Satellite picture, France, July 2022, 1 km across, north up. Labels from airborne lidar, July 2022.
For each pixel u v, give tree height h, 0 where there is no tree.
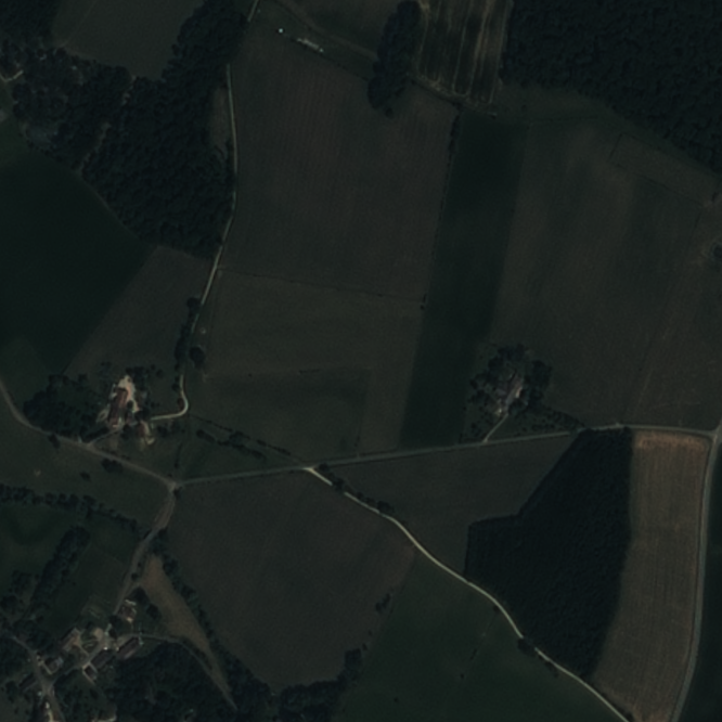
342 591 0
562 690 0
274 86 0
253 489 0
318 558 0
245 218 0
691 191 0
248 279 0
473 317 0
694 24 23
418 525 0
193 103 14
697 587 0
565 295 0
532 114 0
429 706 0
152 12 0
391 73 23
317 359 0
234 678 14
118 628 12
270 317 0
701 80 25
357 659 20
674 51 32
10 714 0
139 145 18
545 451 0
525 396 12
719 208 0
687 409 0
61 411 14
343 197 0
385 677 0
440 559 0
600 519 10
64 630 0
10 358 0
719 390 0
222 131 0
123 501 0
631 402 0
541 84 17
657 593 0
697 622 0
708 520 0
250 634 0
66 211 0
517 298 0
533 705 0
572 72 23
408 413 0
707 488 0
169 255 0
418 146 0
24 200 0
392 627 0
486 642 0
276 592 0
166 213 20
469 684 0
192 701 11
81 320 0
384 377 0
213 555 0
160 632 0
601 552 14
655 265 0
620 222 0
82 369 0
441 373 0
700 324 0
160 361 0
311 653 0
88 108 13
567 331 0
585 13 28
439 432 0
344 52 0
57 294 0
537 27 22
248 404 0
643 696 0
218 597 0
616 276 0
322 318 0
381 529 0
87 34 0
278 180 0
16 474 0
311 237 0
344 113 0
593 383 0
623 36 26
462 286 0
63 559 16
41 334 0
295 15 0
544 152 0
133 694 20
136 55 0
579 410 0
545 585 12
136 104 10
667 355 0
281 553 0
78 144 18
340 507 0
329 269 0
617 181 0
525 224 0
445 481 0
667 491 0
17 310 0
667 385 0
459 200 0
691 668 0
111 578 0
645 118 26
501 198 0
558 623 12
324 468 10
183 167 30
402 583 0
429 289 0
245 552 0
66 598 0
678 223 0
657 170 0
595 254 0
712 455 0
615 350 0
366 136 0
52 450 0
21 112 19
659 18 28
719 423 0
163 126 20
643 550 0
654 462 0
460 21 0
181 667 19
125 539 0
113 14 0
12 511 0
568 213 0
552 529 15
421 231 0
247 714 29
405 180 0
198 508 0
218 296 0
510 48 10
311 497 0
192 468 0
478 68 0
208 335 0
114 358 0
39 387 0
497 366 15
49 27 17
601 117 0
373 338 0
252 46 0
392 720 0
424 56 0
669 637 0
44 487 0
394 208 0
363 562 0
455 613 0
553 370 6
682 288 0
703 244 0
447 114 0
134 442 0
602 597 16
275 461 0
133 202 19
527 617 10
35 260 0
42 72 23
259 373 0
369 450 0
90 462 0
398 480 0
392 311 0
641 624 0
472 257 0
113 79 16
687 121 27
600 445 13
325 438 0
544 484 9
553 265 0
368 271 0
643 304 0
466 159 0
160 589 0
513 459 0
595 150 0
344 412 0
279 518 0
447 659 0
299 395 0
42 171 0
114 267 0
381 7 0
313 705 0
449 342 0
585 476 13
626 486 12
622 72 20
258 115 0
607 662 0
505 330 0
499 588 7
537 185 0
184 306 0
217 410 0
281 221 0
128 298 0
